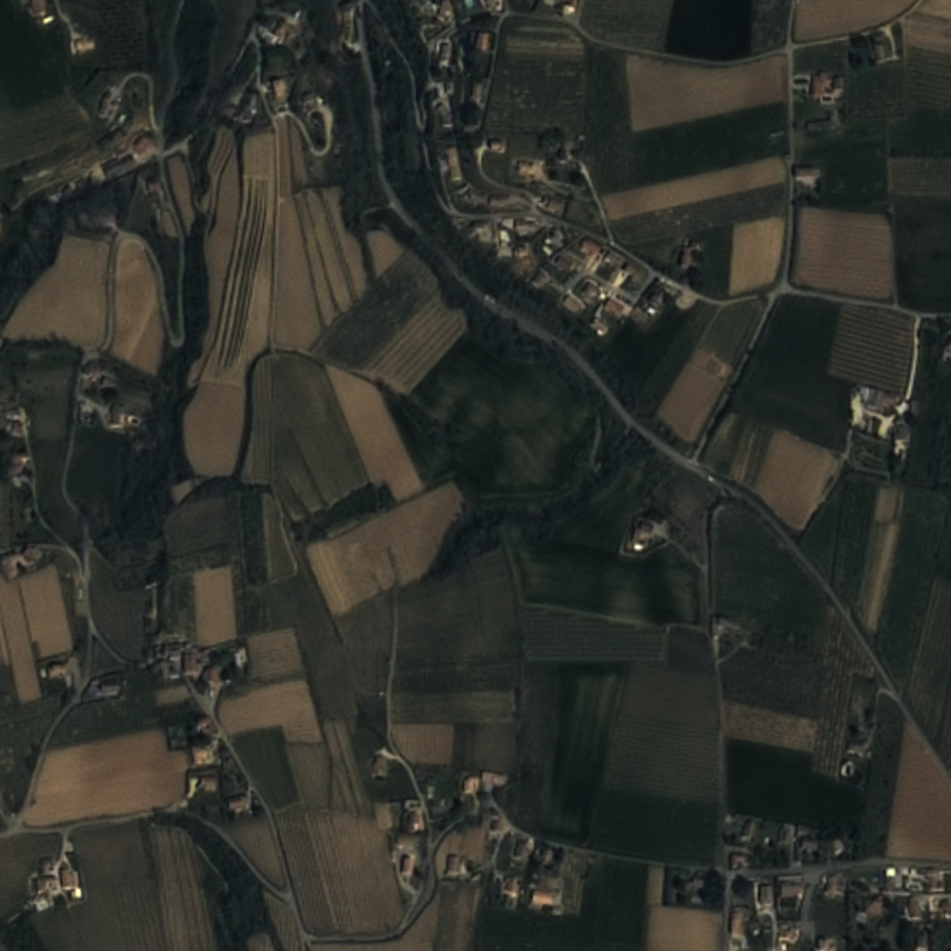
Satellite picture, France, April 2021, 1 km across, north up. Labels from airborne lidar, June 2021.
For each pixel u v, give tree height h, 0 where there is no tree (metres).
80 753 0
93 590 0
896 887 0
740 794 0
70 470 0
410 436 0
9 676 0
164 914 0
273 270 0
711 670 0
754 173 0
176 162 0
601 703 0
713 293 8
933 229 0
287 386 0
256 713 0
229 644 0
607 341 0
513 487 0
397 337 0
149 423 15
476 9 0
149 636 7
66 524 0
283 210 0
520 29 0
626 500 0
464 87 0
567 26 0
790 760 0
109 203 12
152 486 8
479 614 0
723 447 0
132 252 0
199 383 0
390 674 0
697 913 0
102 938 0
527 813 0
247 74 7
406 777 0
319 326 0
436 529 0
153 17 20
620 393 17
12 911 0
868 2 0
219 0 0
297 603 0
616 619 0
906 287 0
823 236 0
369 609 0
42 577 0
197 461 0
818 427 0
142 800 0
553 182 7
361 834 0
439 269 18
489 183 0
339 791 0
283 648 0
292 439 0
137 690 0
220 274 0
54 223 21
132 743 0
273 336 0
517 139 0
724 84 0
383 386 15
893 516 0
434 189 14
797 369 0
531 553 0
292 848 0
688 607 0
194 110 0
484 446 0
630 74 0
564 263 0
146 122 0
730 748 0
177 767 0
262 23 10
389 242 0
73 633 0
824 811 0
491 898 7
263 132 0
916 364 0
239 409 0
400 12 10
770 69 0
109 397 14
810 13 0
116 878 0
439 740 0
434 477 0
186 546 0
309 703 0
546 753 0
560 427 0
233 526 0
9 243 0
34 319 0
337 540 0
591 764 0
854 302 0
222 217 0
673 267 8
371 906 0
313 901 0
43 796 0
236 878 21
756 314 0
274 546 0
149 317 0
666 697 0
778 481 0
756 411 0
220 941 13
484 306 15
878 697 0
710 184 0
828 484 0
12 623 0
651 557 0
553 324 24
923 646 0
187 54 9
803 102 0
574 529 0
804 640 6
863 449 0
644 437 8
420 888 0
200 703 0
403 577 0
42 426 0
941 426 10
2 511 0
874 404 0
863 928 10
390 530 0
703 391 0
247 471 0
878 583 0
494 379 0
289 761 0
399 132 13
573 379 10
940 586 0
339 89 12
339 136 8
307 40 9
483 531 9
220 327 0
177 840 0
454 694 0
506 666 0
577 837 0
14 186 7
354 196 15
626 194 0
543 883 0
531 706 0
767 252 0
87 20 0
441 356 0
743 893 12
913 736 0
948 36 0
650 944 0
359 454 0
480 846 0
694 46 0
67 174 0
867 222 0
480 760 0
